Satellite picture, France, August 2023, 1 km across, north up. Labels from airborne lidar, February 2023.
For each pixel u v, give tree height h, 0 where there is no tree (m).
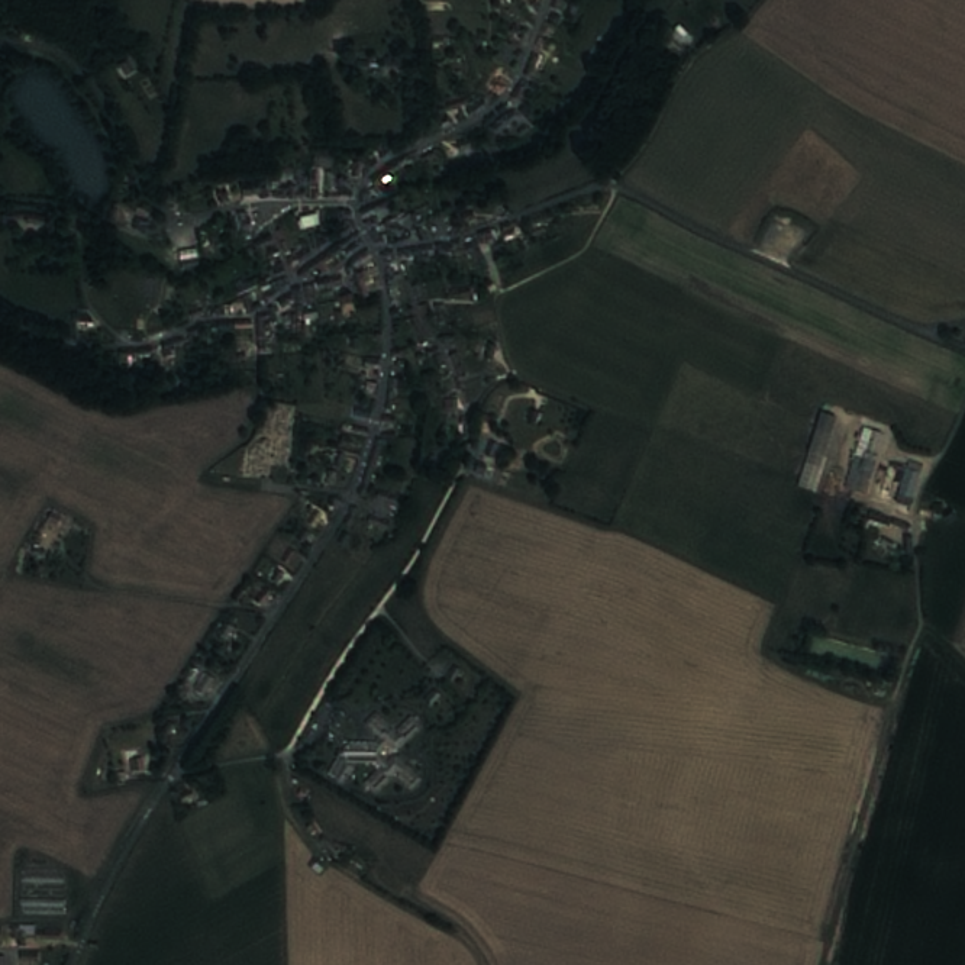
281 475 0
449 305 0
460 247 0
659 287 0
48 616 0
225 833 0
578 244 0
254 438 0
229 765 0
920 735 0
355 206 0
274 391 9
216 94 0
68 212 15
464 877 0
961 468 0
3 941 0
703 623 0
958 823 0
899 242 0
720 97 0
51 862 0
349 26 0
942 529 0
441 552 0
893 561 10
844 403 0
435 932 0
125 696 0
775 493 0
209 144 0
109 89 7
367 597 0
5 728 0
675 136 0
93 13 19
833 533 0
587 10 0
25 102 0
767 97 0
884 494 0
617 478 0
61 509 0
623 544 0
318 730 0
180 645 0
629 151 14
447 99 6
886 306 0
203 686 0
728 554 0
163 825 0
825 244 0
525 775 0
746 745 0
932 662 0
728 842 0
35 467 0
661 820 0
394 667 0
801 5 0
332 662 0
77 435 0
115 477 0
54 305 0
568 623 0
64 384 18
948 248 0
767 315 0
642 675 0
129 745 0
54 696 0
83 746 0
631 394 0
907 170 0
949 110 0
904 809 0
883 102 0
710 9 0
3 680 0
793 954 0
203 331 15
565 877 0
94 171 0
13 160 0
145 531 0
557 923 0
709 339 0
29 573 6
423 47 13
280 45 0
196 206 0
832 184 0
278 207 0
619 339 0
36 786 0
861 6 0
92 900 0
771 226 0
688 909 0
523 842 0
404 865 0
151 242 10
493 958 0
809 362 0
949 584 0
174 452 0
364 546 0
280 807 0
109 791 0
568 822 0
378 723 0
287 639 0
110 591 0
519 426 0
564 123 17
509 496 0
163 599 0
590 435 0
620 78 18
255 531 0
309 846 0
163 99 7
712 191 0
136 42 10
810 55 0
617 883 0
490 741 8
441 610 0
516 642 0
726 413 0
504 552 0
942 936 0
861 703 0
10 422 0
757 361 0
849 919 0
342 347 0
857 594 0
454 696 6
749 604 0
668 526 0
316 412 0
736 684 0
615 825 0
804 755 0
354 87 16
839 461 0
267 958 0
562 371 0
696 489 0
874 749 0
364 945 0
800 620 0
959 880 0
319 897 0
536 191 0
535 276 0
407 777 0
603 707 0
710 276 0
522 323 0
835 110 0
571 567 0
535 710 0
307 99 15
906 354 0
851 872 0
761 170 0
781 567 0
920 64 0
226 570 0
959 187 0
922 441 0
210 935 0
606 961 0
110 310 0
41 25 14
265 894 0
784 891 0
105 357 8
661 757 0
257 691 0
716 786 0
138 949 0
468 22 0
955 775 0
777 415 0
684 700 0
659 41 17
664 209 0
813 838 0
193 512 0
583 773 0
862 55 0
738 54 0
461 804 8
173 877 0
